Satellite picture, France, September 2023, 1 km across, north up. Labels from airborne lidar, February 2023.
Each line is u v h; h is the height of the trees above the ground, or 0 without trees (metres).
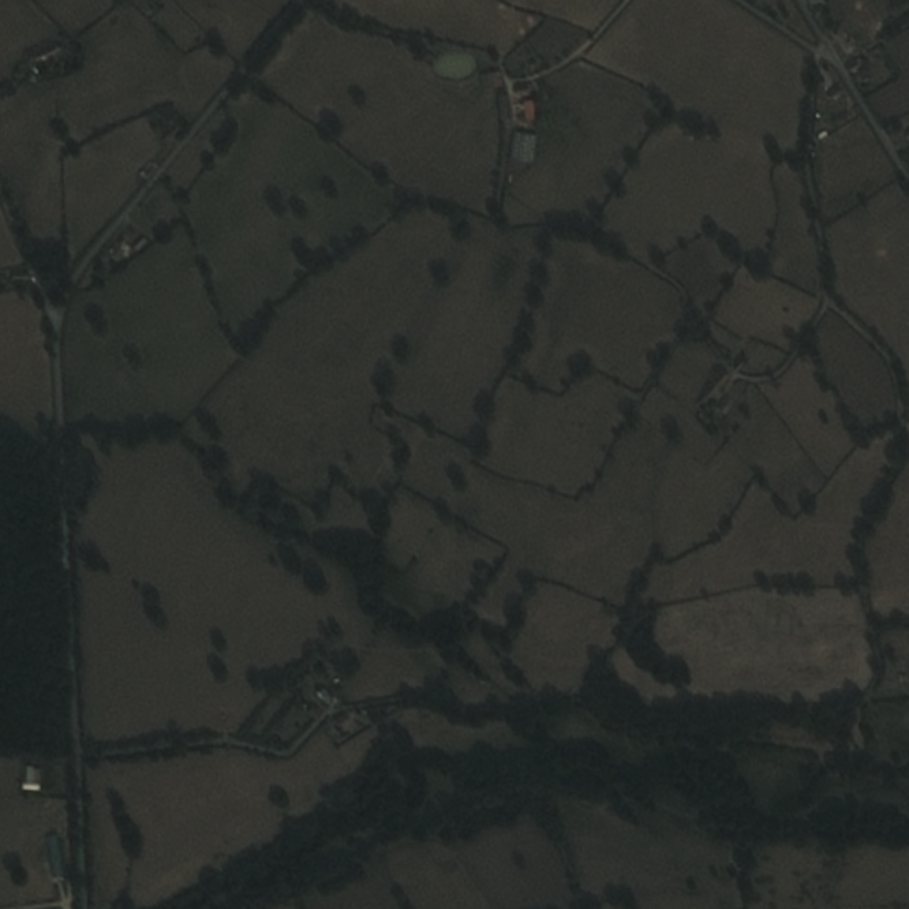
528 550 0
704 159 0
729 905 0
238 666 0
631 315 0
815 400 0
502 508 0
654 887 0
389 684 0
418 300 0
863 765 15
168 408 0
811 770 8
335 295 0
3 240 0
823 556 0
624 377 0
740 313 0
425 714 0
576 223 18
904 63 0
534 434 0
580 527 0
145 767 0
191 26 0
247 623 0
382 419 0
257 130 0
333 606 0
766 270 18
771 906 0
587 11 0
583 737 0
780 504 10
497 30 0
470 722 13
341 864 17
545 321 0
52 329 13
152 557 0
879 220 0
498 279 0
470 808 13
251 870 23
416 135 0
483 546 0
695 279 0
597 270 0
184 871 0
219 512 0
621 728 17
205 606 0
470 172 0
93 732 0
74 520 23
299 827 15
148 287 0
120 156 0
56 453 13
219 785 0
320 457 0
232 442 0
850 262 0
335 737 0
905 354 0
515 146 0
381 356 0
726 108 0
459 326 0
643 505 0
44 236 0
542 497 0
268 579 0
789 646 0
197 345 0
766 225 0
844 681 0
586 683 8
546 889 0
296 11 15
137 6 0
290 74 0
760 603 0
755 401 0
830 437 0
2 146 0
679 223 0
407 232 0
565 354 0
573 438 0
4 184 6
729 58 0
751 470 0
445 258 0
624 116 0
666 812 0
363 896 0
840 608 0
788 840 8
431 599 0
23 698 31
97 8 0
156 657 0
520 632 0
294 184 0
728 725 13
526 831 0
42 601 31
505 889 0
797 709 12
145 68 0
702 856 0
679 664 14
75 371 0
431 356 0
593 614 0
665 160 0
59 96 0
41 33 0
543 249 16
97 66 0
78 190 0
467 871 0
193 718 0
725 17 0
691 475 0
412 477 0
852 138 0
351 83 0
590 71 0
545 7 0
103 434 20
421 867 0
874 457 0
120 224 0
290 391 0
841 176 0
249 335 15
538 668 0
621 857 0
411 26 0
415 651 0
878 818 19
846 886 0
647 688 0
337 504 0
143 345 0
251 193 0
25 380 0
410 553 0
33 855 0
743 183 0
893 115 0
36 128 0
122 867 0
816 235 15
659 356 12
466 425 0
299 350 0
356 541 16
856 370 0
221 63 0
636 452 0
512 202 0
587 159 0
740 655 0
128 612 0
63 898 0
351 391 0
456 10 0
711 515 0
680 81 0
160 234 13
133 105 0
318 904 0
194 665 0
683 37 0
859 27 0
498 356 0
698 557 0
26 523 26
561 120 0
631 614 13
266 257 0
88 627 0
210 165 12
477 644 0
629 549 0
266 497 9
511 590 0
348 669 14
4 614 31
